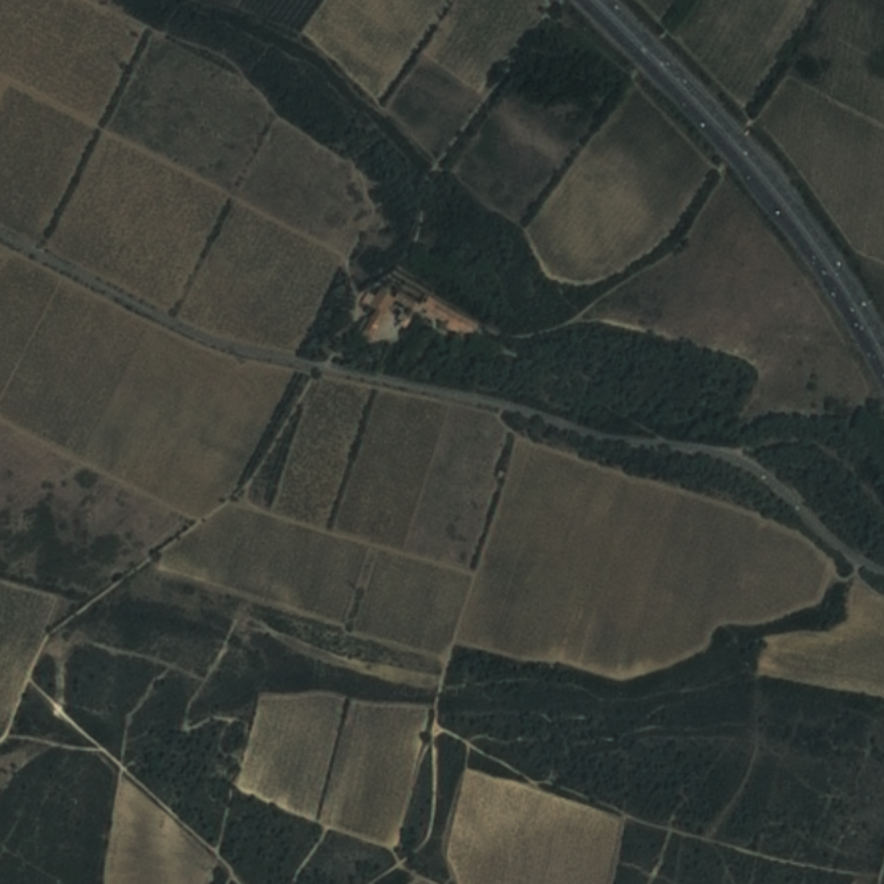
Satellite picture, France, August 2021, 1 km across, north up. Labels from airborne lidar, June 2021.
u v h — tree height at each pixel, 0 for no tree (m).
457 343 13
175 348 0
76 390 0
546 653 0
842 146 0
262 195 0
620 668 0
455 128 0
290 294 0
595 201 0
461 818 0
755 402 0
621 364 11
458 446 0
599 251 0
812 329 0
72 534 0
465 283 12
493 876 0
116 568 0
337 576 0
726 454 0
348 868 0
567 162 9
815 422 15
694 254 0
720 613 0
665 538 0
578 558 0
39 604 0
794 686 7
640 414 10
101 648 0
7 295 0
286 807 0
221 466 0
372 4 0
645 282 0
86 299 0
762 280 0
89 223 0
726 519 0
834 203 0
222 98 0
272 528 0
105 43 0
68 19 0
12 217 0
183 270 0
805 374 0
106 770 0
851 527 9
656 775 11
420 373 8
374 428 0
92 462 0
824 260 0
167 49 0
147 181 0
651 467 6
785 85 0
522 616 0
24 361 0
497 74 14
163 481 0
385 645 0
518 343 7
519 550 0
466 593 0
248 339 0
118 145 0
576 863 0
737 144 0
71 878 0
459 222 9
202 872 0
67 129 0
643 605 0
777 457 12
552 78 9
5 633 0
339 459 0
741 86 0
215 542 0
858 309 0
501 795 0
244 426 0
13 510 0
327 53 0
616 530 0
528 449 0
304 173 0
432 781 0
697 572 0
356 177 0
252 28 6
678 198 0
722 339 0
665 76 0
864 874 0
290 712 0
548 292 7
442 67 0
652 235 0
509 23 0
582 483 0
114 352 0
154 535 0
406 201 12
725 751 0
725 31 0
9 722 0
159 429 0
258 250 0
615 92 8
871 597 0
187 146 0
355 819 0
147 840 0
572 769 9
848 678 0
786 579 0
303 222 0
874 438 15
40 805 0
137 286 0
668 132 0
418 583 0
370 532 0
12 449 0
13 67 0
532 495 0
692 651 0
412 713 0
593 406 10
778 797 0
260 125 0
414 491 0
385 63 0
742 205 0
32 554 0
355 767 0
